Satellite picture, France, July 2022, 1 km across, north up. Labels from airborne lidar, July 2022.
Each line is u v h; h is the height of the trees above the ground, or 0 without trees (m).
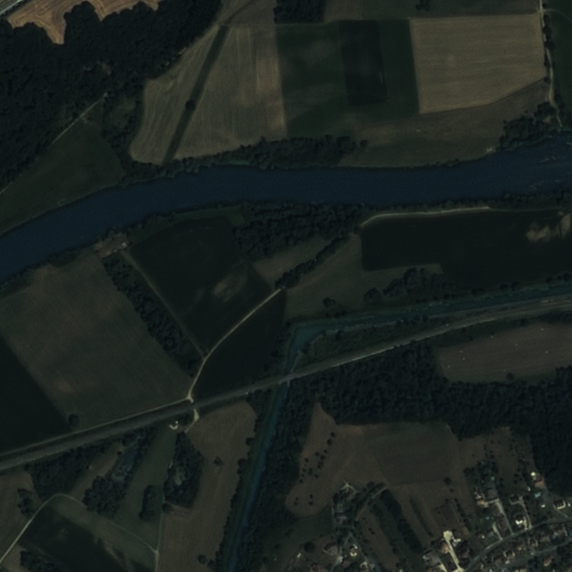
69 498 0
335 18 0
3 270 0
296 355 0
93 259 0
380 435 0
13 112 20
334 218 12
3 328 0
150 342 0
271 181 0
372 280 0
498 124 0
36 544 0
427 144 0
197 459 23
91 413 0
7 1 0
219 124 0
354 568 9
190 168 17
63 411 0
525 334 0
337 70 0
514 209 7
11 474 0
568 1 0
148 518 17
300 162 6
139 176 6
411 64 0
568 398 22
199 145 0
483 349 0
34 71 26
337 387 27
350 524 9
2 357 0
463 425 14
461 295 0
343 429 0
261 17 0
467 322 0
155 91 0
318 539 0
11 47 22
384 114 0
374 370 22
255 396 18
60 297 0
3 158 23
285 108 0
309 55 0
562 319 9
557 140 0
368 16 0
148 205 0
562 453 25
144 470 0
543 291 0
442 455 0
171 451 0
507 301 0
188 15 27
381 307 0
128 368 0
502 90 0
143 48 20
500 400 33
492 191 0
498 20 0
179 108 0
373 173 0
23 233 0
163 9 18
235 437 0
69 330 0
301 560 0
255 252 20
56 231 0
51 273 0
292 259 0
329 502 0
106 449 14
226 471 0
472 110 0
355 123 0
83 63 23
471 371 0
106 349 0
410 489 0
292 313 0
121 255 0
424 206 17
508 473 0
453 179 0
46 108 23
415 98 0
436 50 0
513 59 0
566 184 0
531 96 0
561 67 0
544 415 22
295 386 17
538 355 0
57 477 8
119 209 0
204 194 0
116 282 12
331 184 0
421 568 0
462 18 0
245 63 0
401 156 0
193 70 0
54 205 0
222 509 0
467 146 0
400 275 0
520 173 0
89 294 0
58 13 0
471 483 0
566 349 0
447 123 0
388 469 0
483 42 0
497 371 0
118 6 0
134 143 0
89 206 0
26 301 0
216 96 0
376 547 0
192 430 0
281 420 13
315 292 0
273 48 0
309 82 0
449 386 22
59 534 0
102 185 0
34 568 12
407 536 7
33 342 0
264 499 24
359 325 0
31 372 0
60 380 0
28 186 0
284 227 23
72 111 8
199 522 0
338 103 0
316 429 0
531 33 0
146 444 14
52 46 18
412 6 0
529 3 0
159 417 0
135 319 0
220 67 0
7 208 0
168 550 0
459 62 0
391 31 0
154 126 0
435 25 0
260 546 22
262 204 8
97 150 0
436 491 0
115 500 16
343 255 0
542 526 9
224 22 0
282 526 14
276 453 19
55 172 0
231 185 0
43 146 14
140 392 0
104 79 9
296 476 15
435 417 16
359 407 8
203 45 0
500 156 0
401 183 0
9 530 0
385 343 0
